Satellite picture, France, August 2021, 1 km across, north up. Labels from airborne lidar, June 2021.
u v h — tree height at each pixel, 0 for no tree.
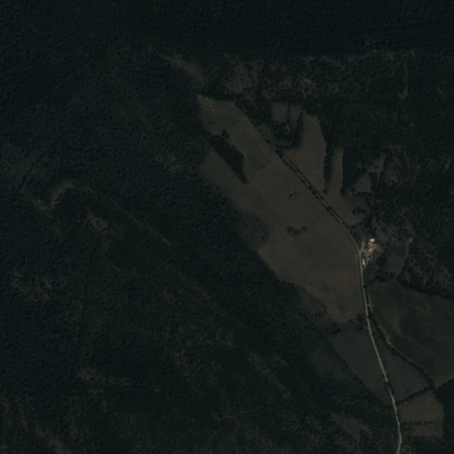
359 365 0
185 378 6
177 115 9
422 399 0
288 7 7
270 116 10
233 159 7
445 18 13
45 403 6
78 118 7
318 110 8
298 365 8
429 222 8
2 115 10
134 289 7
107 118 7
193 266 7
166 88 7
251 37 8
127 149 7
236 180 0
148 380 7
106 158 9
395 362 0
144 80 7
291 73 6
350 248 0
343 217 0
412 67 6
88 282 6
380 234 0
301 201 0
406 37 12
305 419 6
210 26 10
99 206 6
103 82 8
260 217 0
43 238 8
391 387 10
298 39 11
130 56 7
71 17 6
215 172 0
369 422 7
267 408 6
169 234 5
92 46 6
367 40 7
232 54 6
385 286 0
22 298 6
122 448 8
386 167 8
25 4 6
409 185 8
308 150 0
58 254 7
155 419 6
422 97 9
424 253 6
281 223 0
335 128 8
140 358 10
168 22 13
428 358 0
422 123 8
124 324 7
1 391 10
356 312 0
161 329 6
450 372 0
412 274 7
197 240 6
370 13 11
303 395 6
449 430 8
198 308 6
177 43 8
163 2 8
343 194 10
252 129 0
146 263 6
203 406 7
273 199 0
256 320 7
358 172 7
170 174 8
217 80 7
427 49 9
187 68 0
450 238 6
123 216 8
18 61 7
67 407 10
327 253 0
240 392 5
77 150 11
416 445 6
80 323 6
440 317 0
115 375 7
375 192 8
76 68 7
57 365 9
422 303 0
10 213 8
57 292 8
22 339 13
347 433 7
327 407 8
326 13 11
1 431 8
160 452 6
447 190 6
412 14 7
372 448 7
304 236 0
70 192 6
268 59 7
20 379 8
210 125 0
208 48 8
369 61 8
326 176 9
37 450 8
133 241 6
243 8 12
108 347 9
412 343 0
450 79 6
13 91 7
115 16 6
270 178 0
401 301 0
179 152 9
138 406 8
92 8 6
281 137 8
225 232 9
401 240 6
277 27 9
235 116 0
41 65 9
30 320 12
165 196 7
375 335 6
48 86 8
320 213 0
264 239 7
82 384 8
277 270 0
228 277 7
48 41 8
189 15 9
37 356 8
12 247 11
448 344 0
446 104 6
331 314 0
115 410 6
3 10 8
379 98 7
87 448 9
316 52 9
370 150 8
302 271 0
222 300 7
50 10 8
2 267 6
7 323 13
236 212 7
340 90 8
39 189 9
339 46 9
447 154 8
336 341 0
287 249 0
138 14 13
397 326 0
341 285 0
